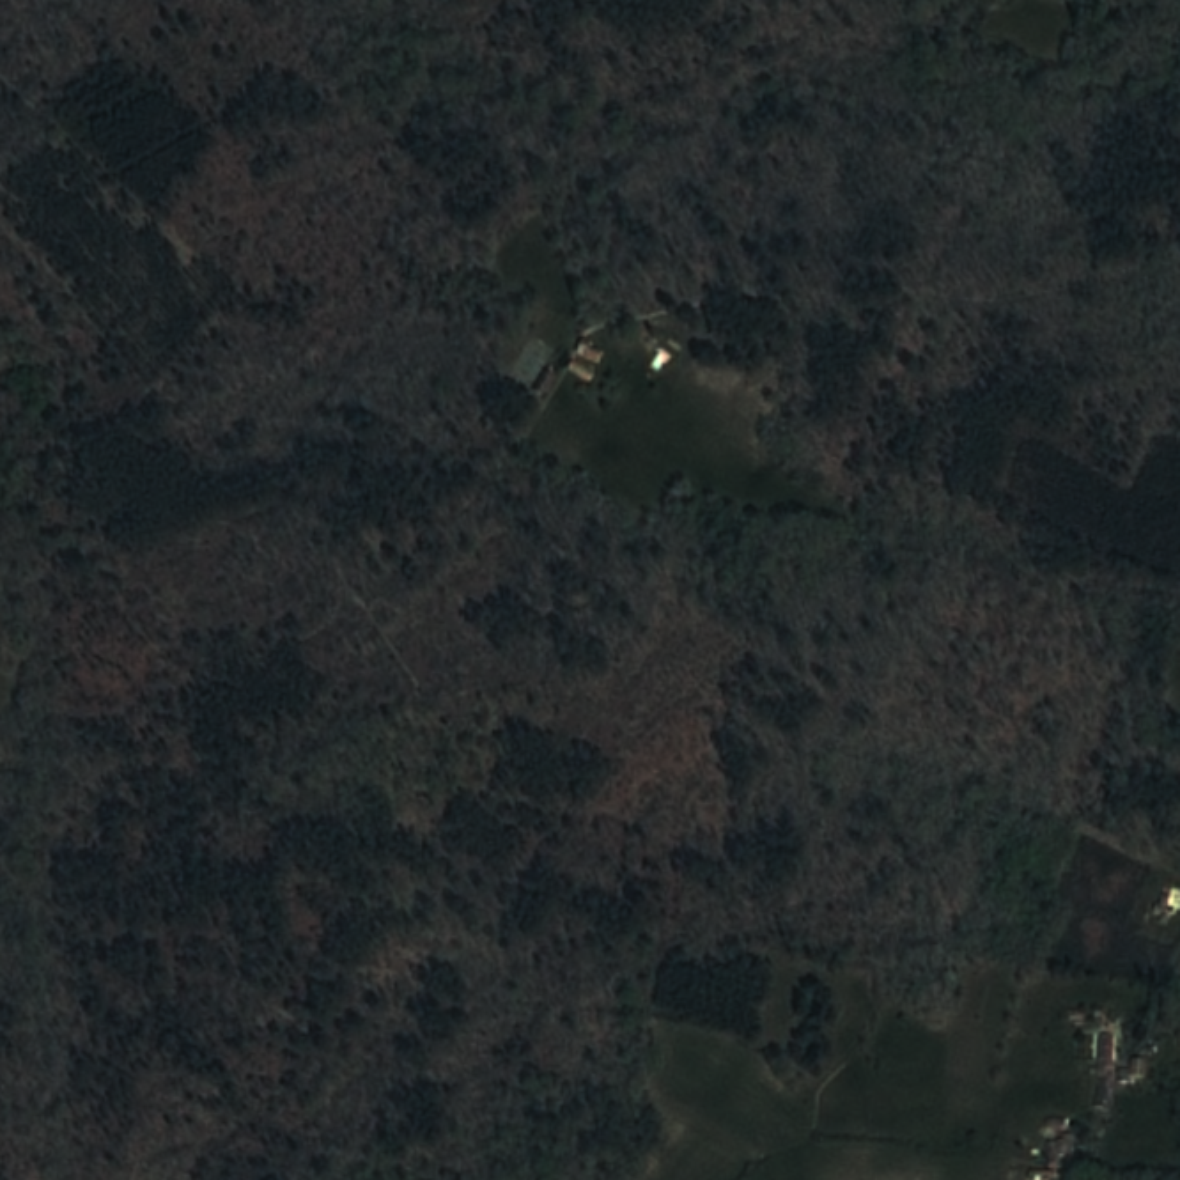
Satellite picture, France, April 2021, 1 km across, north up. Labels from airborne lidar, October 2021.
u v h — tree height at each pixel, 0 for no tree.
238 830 21
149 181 12
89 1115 7
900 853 22
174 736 13
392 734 14
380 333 11
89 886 20
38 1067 18
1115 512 8
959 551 13
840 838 7
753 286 10
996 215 13
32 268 11
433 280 11
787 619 17
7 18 10
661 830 9
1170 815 23
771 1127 0
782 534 26
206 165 7
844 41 14
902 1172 0
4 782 18
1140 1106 0
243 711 16
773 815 11
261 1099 13
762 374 22
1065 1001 0
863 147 15
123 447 23
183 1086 10
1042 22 0
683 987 13
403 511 22
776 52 13
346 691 7
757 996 14
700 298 17
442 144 13
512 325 21
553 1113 17
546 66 15
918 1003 19
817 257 12
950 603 16
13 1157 10
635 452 0
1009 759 23
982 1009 0
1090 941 0
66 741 13
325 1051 31
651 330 11
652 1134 24
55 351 13
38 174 13
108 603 8
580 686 20
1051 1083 0
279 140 6
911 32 15
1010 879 21
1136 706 19
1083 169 15
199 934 12
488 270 16
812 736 14
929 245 11
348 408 15
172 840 14
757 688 24
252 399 11
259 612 8
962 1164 0
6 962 17
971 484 30
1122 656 27
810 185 13
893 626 15
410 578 23
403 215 15
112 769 11
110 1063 9
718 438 0
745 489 0
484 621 26
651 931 23
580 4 10
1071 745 15
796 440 21
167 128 9
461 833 14
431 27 14
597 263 19
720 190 17
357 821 20
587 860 10
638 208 13
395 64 22
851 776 10
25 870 31
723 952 14
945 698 10
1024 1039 0
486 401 9
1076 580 30
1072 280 11
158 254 11
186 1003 11
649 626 13
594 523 14
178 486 25
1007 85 18
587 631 16
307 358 11
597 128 9
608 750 0
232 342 9
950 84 22
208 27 14
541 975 15
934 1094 0
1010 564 14
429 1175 16
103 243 12
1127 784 19
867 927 7
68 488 6
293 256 8
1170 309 21
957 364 8
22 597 8
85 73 6
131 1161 12
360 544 24
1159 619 25
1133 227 19
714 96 13
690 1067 0
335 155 16
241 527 9
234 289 10
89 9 8
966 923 10
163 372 11
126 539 24
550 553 17
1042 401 25
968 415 30
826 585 15
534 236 0
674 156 22
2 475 10
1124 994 0
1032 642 10
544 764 24
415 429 19
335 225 7
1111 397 12
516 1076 9
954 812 15
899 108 15
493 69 12
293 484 21
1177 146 11
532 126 13
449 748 18
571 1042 12
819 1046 18
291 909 6
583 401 8
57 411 9
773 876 22
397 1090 14
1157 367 12
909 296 12
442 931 16
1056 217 10
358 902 12
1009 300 9
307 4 13
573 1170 15
